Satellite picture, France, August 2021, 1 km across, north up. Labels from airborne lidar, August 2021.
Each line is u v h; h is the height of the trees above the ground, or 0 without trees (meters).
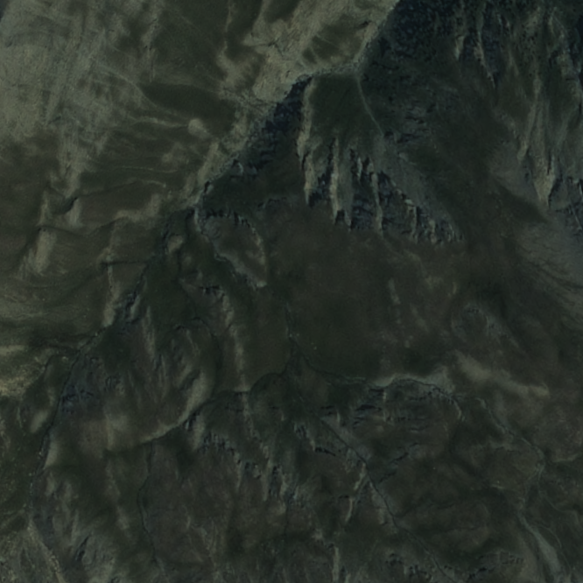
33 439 0
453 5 8
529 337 0
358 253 0
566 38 0
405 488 0
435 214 0
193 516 0
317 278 0
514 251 0
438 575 0
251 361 0
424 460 0
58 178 0
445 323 0
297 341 0
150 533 0
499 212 0
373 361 0
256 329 0
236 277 0
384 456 0
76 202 0
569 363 0
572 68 0
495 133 0
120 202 0
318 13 0
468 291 0
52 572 0
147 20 0
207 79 0
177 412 0
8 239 0
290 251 0
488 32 0
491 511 0
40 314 0
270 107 0
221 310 0
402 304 0
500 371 0
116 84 0
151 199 0
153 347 0
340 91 0
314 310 0
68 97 0
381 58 0
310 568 0
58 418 0
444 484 0
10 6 0
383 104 0
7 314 0
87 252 0
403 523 0
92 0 0
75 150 0
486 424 0
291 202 0
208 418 0
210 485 0
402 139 0
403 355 0
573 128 0
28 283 0
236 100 0
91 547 0
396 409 0
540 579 0
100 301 0
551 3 0
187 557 0
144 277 0
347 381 0
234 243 0
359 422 0
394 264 0
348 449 0
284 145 0
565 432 0
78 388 0
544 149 0
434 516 0
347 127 0
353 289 0
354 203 0
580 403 0
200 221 0
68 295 0
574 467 0
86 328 0
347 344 0
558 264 0
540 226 0
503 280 0
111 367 0
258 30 0
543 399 0
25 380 0
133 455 0
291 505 0
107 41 0
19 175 0
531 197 0
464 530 0
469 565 0
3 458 0
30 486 0
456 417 0
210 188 0
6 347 0
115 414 0
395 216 0
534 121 0
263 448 0
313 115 0
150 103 0
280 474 0
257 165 0
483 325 0
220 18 0
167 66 0
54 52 0
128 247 0
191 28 0
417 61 0
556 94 0
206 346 0
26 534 0
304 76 0
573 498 0
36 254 0
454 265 0
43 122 0
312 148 0
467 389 0
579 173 0
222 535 0
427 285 0
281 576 0
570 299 0
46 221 0
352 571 0
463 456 0
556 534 0
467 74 0
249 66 0
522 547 0
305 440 0
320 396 0
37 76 0
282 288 0
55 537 0
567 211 0
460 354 0
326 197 0
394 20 0
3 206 0
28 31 0
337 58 0
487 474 0
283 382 0
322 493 0
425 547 0
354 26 0
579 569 0
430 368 0
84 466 0
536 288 0
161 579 0
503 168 0
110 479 0
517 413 0
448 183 0
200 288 0
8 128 0
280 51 0
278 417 0
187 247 0
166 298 0
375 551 0
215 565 0
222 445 0
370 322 0
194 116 0
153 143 0
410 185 0
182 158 0
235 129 0
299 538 0
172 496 0
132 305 0
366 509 0
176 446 0
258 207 0
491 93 0
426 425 0
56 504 0
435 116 0
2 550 0
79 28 0
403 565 0
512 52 0
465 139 0
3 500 0
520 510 0
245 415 0
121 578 0
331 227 0
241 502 0
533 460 0
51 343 0
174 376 0
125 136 0
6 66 0
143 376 0
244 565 0
